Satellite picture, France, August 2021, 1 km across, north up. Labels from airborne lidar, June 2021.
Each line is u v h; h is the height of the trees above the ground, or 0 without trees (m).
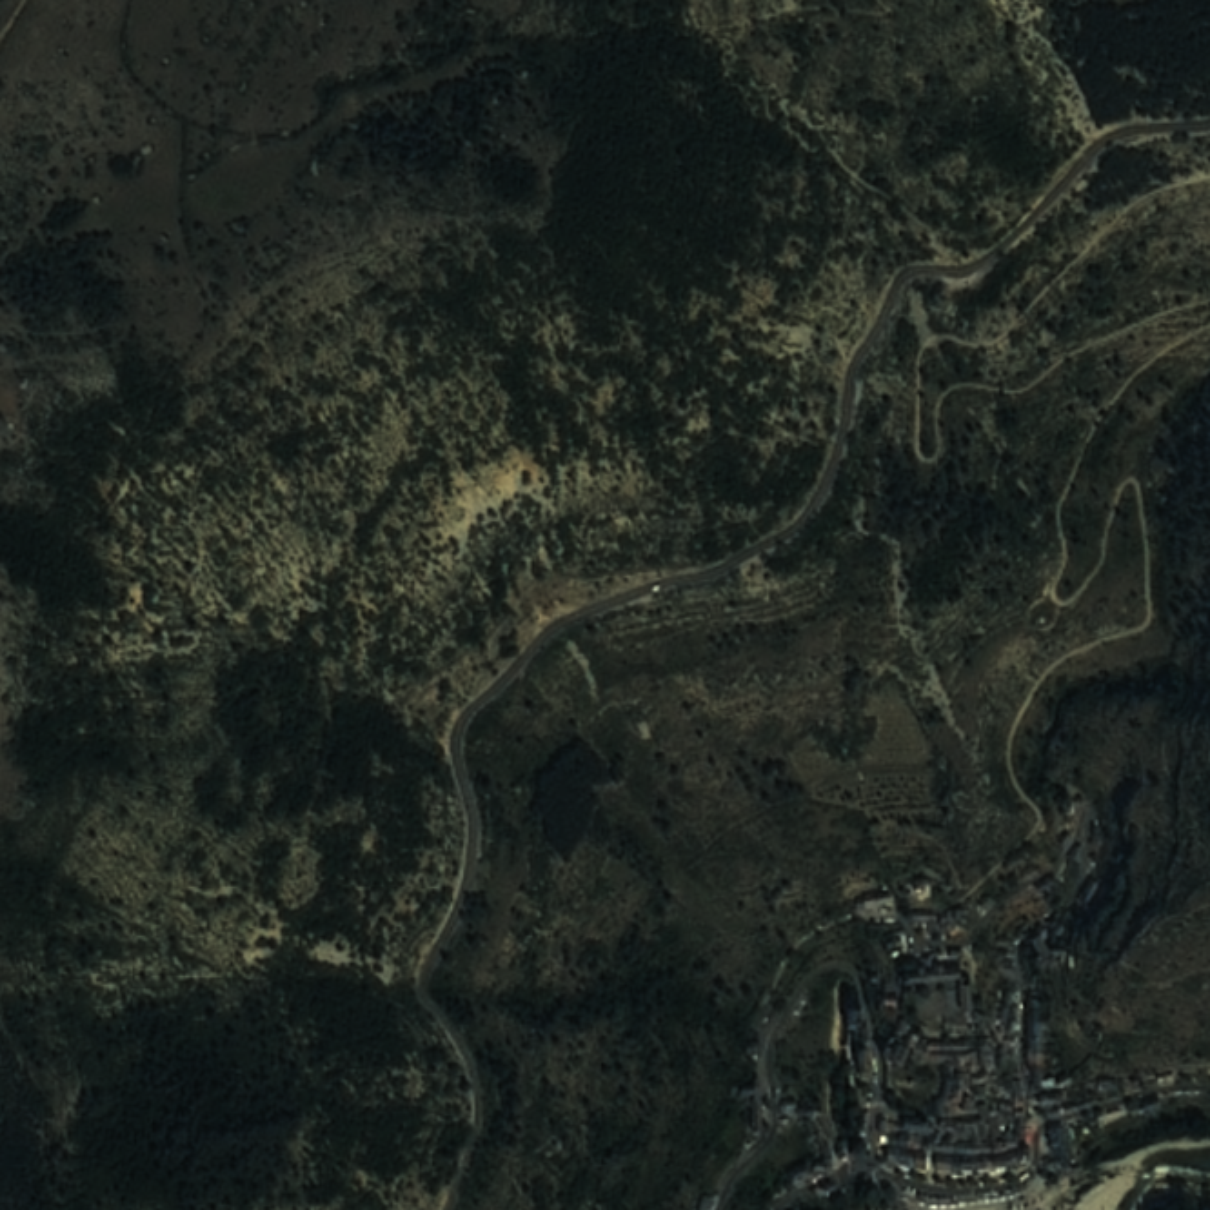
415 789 6
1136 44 15
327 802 7
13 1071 5
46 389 0
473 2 0
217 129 7
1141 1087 14
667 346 7
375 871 8
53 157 0
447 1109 8
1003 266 9
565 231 7
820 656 10
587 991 7
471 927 7
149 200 0
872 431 10
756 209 6
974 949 6
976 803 0
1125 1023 0
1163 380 13
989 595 8
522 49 7
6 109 0
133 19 0
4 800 0
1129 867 5
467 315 6
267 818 9
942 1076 7
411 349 5
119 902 9
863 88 6
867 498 8
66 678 6
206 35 0
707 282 5
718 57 7
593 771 18
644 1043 13
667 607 7
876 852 6
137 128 0
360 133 6
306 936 6
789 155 7
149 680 7
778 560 8
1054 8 11
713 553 7
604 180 9
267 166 0
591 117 8
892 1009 7
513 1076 6
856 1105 11
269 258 0
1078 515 6
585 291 6
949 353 11
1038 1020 0
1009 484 6
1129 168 11
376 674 7
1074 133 6
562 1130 7
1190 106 9
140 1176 12
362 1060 11
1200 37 12
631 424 7
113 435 7
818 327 6
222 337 0
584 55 7
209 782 6
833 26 7
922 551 8
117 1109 7
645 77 7
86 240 8
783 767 15
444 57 11
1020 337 10
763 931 13
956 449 11
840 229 7
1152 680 6
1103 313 10
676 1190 8
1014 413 11
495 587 9
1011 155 8
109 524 6
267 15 0
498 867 0
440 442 6
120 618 8
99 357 0
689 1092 7
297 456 11
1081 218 8
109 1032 11
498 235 6
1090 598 0
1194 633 16
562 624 0
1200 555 10
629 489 0
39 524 9
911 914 13
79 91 0
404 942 8
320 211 0
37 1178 8
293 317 0
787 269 7
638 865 6
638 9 9
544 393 7
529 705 13
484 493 0
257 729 8
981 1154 0
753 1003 6
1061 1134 0
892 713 0
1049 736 11
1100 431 6
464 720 0
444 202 0
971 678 0
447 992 6
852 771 0
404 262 0
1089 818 0
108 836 0
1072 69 10
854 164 0
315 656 7
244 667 7
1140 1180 0
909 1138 0
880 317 0
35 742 7
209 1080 10
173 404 7
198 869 7
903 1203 0
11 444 0
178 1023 8
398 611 7
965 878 6
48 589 7
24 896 8
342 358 0
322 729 7
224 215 0
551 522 6
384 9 0
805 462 6
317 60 0
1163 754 0
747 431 5
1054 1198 0
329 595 6
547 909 6
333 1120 8
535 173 8
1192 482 18
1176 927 0
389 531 6
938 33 0
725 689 7
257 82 0
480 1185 7
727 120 6
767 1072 0
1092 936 7
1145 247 11
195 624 13
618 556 6
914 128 8
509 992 8
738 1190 7
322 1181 8
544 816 17
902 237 6
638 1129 9
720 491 9
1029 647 0
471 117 7
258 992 7
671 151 9
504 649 7
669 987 7
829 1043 0
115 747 6
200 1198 15
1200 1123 22
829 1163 0
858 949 6
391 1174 6
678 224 7
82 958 10
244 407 6
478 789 7
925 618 8
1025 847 12
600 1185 10
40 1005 13
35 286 10
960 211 6
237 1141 22
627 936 6
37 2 0
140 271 0
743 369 6
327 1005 6
